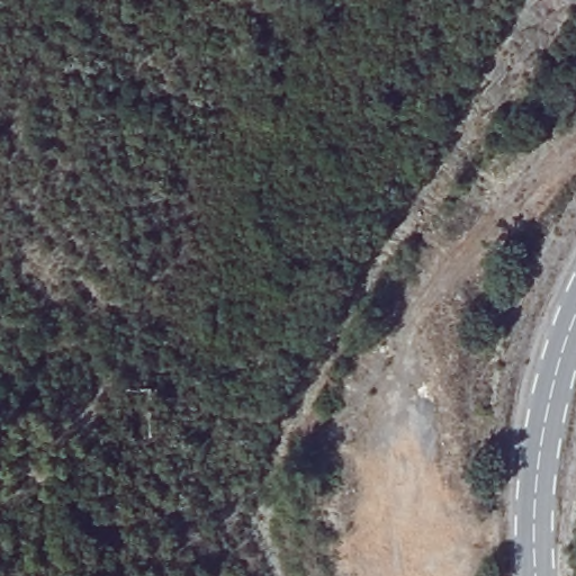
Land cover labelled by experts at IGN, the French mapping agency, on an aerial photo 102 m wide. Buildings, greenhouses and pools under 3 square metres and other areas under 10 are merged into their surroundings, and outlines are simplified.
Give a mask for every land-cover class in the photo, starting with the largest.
<instances>
[{"label":"brushwood","instance_id":"1","mask_svg":"<svg viewBox=\"0 0 576 576\"><path fill-rule=\"evenodd\" d=\"M527 0H0V576H275L266 549L261 547L263 536L257 538L252 527V518L259 511L257 500L268 488L263 479L272 468V461L277 446L281 441L284 421L297 416L306 389L320 376V365L340 349L342 356L340 360H335L326 378V385L313 405L317 412V423L311 430L293 432L284 464V473H302L304 477H315L320 484V495H333L342 486L344 461L340 455V446L344 443V430L338 428L335 414L344 407L347 376L356 371L360 353H367L385 344L387 335H394L403 326V315L407 311L405 290L419 284L421 252L425 248V239L412 232L396 248L394 257L385 261V270L378 277L374 290H365L367 275L374 268L383 245L392 239L396 227L412 212V205L421 189L437 178L441 160L450 155L455 144L459 142V124L470 113L473 99L482 92L484 77L495 68V52L513 32L518 23V11L524 7ZM25 243H41L43 250H65L68 257L63 259L59 284H45L41 277L23 272ZM524 99L504 101L497 110L502 115L511 113L533 117V122L542 128V137L538 140L540 144L549 142L554 133H569L576 122V5L569 7V18L563 25L554 45L538 52L536 72H524ZM500 153L495 146L486 144V149L466 160L461 171L457 173V182L450 187V194L441 205L446 214L457 212V200H461L464 194L470 191V182L477 178V173Z\"/></svg>","mask_w":576,"mask_h":576},{"label":"bare soil","instance_id":"2","mask_svg":"<svg viewBox=\"0 0 576 576\"><path fill-rule=\"evenodd\" d=\"M576 5V0H527L524 7L518 11V23L513 32L495 52V68L484 77L482 92L473 99L470 113L459 124V142L455 144L450 155L441 160L437 178L421 189L412 205V212L396 227L392 239L383 245L374 268L367 275L365 290H374L378 277L385 270V261L394 257L396 248L412 232L425 239V248L421 252L419 284L405 290L407 311L403 315V326L394 335H387L385 344L367 353H360L356 371L347 376L344 407L335 414L338 428L344 430V443L340 446V455L344 461L356 464L362 493L360 504L356 509V531L340 540V560L335 567L340 572H351L358 576H475L482 560L491 556L500 542L511 540L506 502L497 493L488 495L491 504H479L475 502L470 484L464 479V470L475 459L477 448L486 443L491 434L513 428L515 394L522 380V371L529 365V351L538 320L545 313V306L551 297L565 259L569 257L576 243V191L574 198L567 203L563 218L547 227V236L540 250L542 272L540 277H536L531 288L518 302L522 313L515 326L511 329V335L500 338L493 349H466L459 340V315L466 302L479 295L477 277L484 275L482 261L486 254L482 248L484 241H497L502 234L511 232L515 216L536 221L558 196L563 182L576 173V122L569 133H554L549 142L540 144L531 153H500L477 173V178L470 182V191L464 194L461 200H457V212L446 214L441 205L450 194V187L457 182V173L461 171L466 160L486 149V144L488 122L497 110L504 101L524 99V72H536L538 52L554 45L563 25L569 18V7ZM23 272L41 277L45 284H59L63 259L68 257L65 250H43L41 243H25ZM342 356L340 349L320 365V376L306 389L297 416L284 421L281 441L277 446L272 461L284 464L293 432L311 430L317 423V412L313 405L326 385V378L335 360H340ZM576 529V385L558 461L554 529L556 551L567 549V545L574 540Z\"/></svg>","mask_w":576,"mask_h":576},{"label":"impervious surface","instance_id":"3","mask_svg":"<svg viewBox=\"0 0 576 576\"><path fill-rule=\"evenodd\" d=\"M576 385V243L569 257L565 259L551 297L545 306V313L538 320L529 351V365L522 371V380L515 394L513 428L491 434L486 443L495 448L504 461L502 479L509 486L502 493H497L506 502L511 540L500 542L491 556L497 565L500 576H576V529L574 540L567 545V549L556 551L554 529L558 461Z\"/></svg>","mask_w":576,"mask_h":576},{"label":"herbaceous vegetation","instance_id":"4","mask_svg":"<svg viewBox=\"0 0 576 576\"><path fill-rule=\"evenodd\" d=\"M576 191V173L563 182L558 196L536 221L515 216L511 232L502 234L497 241H484L482 248L486 254L497 250L502 243L522 245L527 254L520 266L524 275V286L531 288L536 277H540L542 272L540 250L547 236V227L563 218L567 203L574 198ZM268 488L257 500L259 511L252 518V527L257 538L263 536L261 547L266 549L275 576H358L351 572H340L335 567L340 560V540L356 531V509L360 504L362 493L356 464L344 461L342 486L333 495H320V484L315 477H304L302 473H284V464L272 461V468L263 479Z\"/></svg>","mask_w":576,"mask_h":576},{"label":"deciduous trees","instance_id":"5","mask_svg":"<svg viewBox=\"0 0 576 576\"><path fill-rule=\"evenodd\" d=\"M542 137V128L533 122V117L511 113L502 115L497 110L488 122L486 144L495 146L500 153H531L540 144L538 140ZM527 254L522 245L502 243L497 250L486 254L482 261L484 275L477 277L479 295L466 302L459 315V340L466 349H493L500 338L511 335V329L515 326L522 313L518 302L531 288L524 286V275L520 266ZM504 461L495 448L486 443L477 448L475 459L464 470V479L470 484L475 502L479 504H491L488 495L497 493H502L509 486L502 479ZM475 576H500L497 565L491 556L482 560Z\"/></svg>","mask_w":576,"mask_h":576}]
</instances>
